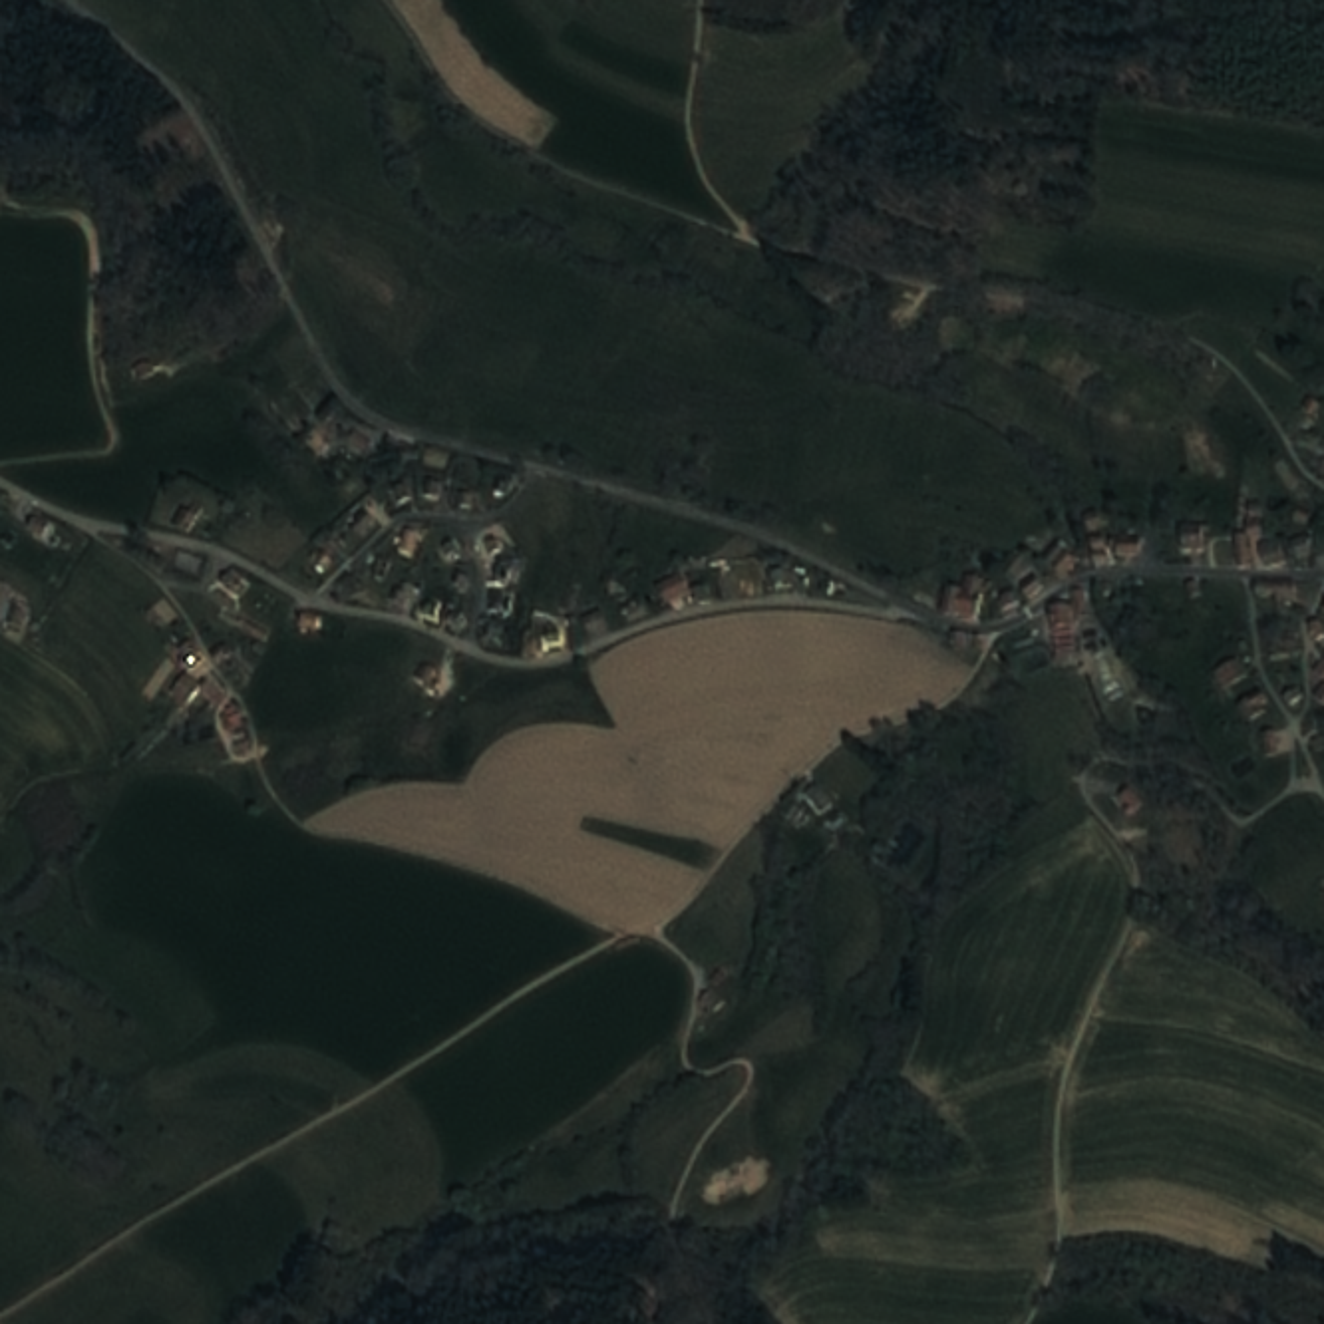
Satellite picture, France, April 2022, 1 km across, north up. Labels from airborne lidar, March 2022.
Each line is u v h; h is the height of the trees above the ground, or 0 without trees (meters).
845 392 0
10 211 0
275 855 0
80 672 0
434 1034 0
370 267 0
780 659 0
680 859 0
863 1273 0
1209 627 0
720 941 0
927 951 8
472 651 0
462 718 0
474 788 0
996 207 22
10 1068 0
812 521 0
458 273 0
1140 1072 0
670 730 0
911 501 0
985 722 14
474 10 0
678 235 0
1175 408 0
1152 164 0
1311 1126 0
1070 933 0
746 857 0
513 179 0
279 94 0
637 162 0
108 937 0
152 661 0
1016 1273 0
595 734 0
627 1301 30
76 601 0
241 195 0
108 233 13
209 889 0
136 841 0
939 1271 0
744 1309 23
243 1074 0
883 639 0
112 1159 18
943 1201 0
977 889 8
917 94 8
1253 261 0
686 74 0
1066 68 21
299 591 0
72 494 0
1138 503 0
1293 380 0
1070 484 20
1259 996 0
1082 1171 0
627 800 0
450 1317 27
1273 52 11
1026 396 0
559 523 0
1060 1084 0
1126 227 0
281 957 0
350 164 0
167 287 21
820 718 0
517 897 0
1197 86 9
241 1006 0
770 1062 0
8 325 0
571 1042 0
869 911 0
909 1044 15
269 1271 0
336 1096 0
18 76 23
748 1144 0
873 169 25
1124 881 0
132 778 0
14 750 0
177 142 0
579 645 0
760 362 0
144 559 18
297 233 0
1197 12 7
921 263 26
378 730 0
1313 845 0
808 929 16
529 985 0
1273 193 0
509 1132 0
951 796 15
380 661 0
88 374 0
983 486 0
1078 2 25
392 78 0
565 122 0
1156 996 0
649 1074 0
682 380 0
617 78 0
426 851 0
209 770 0
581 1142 7
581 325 0
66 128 11
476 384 0
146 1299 0
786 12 0
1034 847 0
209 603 0
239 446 0
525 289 0
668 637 0
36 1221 0
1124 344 12
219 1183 0
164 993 0
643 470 0
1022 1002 0
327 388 0
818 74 0
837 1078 0
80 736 0
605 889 0
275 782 0
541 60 0
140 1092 0
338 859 0
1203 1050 0
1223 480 0
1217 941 12
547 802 0
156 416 0
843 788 0
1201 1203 0
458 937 0
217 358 0
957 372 16
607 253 0
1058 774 0
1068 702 0
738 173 0
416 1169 0
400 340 0
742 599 0
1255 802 0
